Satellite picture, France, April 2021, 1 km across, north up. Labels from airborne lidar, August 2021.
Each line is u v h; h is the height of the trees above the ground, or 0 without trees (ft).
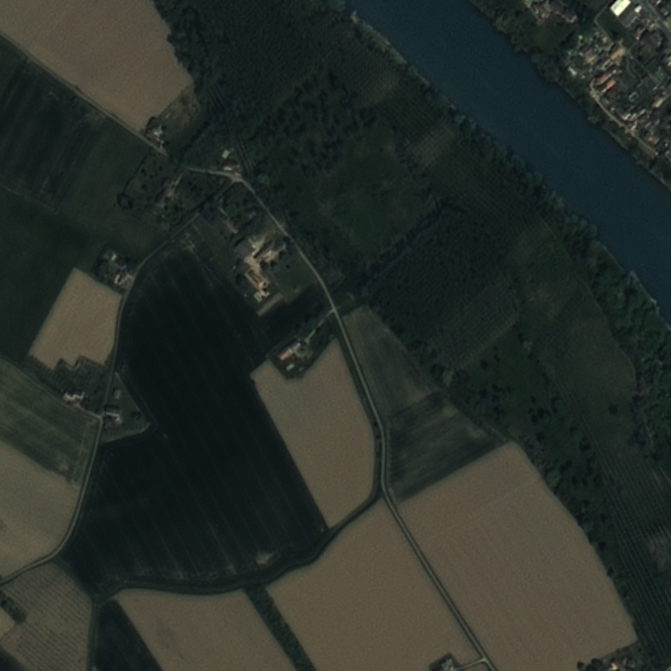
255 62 107
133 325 0
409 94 50
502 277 93
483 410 70
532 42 0
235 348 0
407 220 0
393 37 0
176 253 0
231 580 0
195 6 119
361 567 0
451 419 0
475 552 0
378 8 0
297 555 0
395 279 79
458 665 0
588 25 51
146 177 21
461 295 79
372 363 0
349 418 0
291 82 102
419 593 0
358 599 0
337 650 0
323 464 0
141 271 0
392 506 0
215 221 38
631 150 36
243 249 0
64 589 48
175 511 0
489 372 72
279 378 0
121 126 0
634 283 46
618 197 0
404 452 0
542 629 0
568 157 0
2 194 0
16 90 0
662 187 0
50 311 0
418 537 0
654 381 57
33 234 0
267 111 98
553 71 65
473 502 0
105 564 0
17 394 0
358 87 84
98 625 0
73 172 0
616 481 52
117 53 0
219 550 0
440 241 83
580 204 0
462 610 0
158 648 0
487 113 0
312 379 0
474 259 85
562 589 0
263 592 31
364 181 0
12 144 0
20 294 0
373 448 0
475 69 0
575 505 21
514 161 102
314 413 0
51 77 0
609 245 0
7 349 0
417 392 0
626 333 35
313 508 0
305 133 70
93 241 0
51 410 0
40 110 0
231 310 0
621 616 0
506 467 0
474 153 49
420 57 0
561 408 44
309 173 73
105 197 0
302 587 0
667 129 26
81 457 0
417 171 55
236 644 0
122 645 0
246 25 114
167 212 26
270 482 0
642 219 0
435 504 0
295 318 0
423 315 88
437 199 75
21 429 0
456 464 0
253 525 0
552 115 0
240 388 0
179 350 0
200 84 39
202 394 0
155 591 0
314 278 0
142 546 0
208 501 0
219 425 0
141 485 0
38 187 0
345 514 0
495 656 0
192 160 58
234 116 97
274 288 0
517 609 0
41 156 0
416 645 0
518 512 0
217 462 0
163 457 0
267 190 68
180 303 0
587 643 0
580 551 0
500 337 114
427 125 52
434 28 0
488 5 54
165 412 0
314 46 96
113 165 0
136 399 0
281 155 0
